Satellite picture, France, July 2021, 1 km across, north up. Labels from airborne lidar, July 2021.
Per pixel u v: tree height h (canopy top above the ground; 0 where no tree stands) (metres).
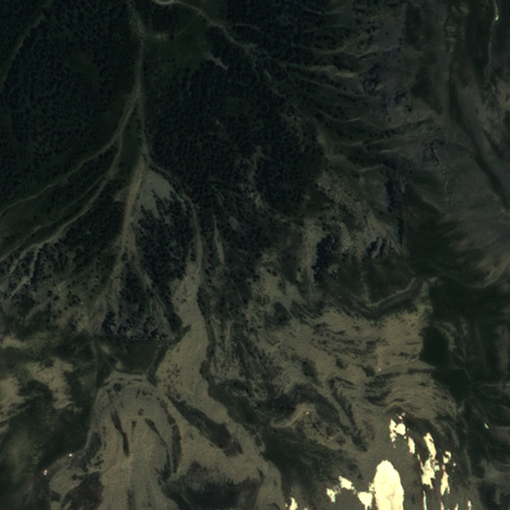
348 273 0
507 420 0
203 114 11
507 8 0
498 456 0
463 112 0
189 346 0
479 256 0
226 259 0
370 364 0
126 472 0
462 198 0
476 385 0
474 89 0
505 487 0
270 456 0
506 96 0
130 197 0
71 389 0
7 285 0
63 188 8
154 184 0
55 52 14
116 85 14
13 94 9
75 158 7
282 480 0
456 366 0
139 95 0
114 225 10
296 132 5
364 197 0
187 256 7
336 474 0
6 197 7
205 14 0
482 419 0
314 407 0
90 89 13
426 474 0
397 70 0
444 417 0
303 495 0
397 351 0
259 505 0
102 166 13
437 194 0
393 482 0
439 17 0
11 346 0
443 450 0
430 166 0
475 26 0
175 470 0
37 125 12
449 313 0
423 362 0
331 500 0
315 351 0
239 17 10
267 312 0
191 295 0
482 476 0
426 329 0
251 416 0
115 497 0
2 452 0
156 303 0
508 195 0
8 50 9
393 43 0
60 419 0
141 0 7
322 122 19
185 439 0
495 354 0
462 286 0
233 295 0
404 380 0
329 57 0
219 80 10
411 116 0
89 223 13
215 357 0
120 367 0
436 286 0
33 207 0
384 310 0
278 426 0
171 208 8
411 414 0
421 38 0
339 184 0
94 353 0
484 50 0
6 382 0
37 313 0
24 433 0
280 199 13
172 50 0
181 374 0
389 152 0
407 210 0
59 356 0
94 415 0
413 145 0
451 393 0
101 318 0
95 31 22
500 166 0
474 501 0
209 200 11
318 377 0
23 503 0
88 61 0
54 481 0
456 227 0
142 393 0
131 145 0
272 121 14
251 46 0
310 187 0
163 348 0
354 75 0
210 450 0
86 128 17
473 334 0
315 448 0
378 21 0
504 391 0
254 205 8
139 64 0
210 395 0
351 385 0
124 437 0
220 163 12
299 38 16
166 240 13
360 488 0
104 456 0
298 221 0
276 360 0
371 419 0
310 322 0
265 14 12
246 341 0
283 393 0
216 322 0
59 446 0
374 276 0
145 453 0
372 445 0
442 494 0
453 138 0
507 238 0
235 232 7
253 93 11
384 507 0
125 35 15
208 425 0
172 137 6
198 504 0
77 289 0
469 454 0
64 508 0
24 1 14
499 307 0
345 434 0
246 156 8
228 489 0
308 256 0
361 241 0
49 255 8
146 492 0
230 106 0
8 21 17
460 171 0
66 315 0
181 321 0
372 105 0
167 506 0
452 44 0
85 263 7
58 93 14
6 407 0
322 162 0
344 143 0
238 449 0
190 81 7
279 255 0
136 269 0
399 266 0
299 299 0
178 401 0
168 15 8
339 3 0
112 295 0
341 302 0
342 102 0
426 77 0
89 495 0
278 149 11
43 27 12
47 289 0
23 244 0
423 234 0
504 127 0
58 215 0
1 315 0
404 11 0
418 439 0
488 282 0
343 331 0
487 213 0
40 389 0
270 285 0
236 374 0
